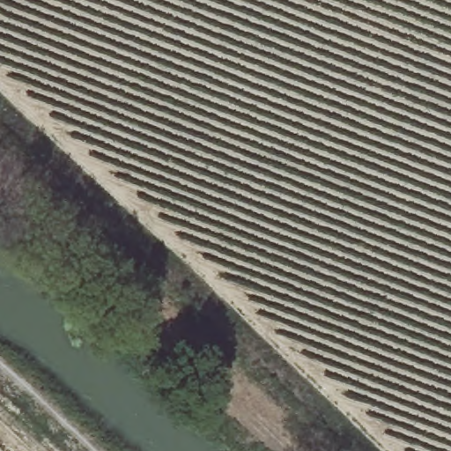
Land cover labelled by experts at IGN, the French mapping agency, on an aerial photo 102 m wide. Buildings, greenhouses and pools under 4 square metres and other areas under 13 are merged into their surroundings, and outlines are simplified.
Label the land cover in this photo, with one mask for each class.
<instances>
[{"label":"vineyard","instance_id":"1","mask_svg":"<svg viewBox=\"0 0 451 451\"><path fill-rule=\"evenodd\" d=\"M0 63L9 65L7 78L25 83L28 90L26 95L30 99L41 100L51 106V118L76 125L70 132V137L90 144V157L116 166V178L137 185L139 199L160 206L159 218L169 224L181 225L180 231L176 234L180 240L206 247L204 259L225 266L224 271L218 273V277L245 287L243 294L250 301L261 303L257 315L287 324V329H277V335L291 338L289 349L292 352L324 363V375L329 379L351 384L344 396L356 402L368 403L366 414L370 418L386 423V435L407 442L405 451H451V0H0ZM12 412L19 414V407H16L9 398L0 395V451H60L51 440L42 439L41 442H37L32 433L26 432L23 426L16 425L11 416Z\"/></svg>","mask_w":451,"mask_h":451},{"label":"deciduous trees","instance_id":"2","mask_svg":"<svg viewBox=\"0 0 451 451\"><path fill-rule=\"evenodd\" d=\"M0 266H5L12 277L21 280L30 291L46 299L56 312L62 315L70 344L74 347H88L90 356L99 363L118 361L123 372L127 373L152 400L153 409L159 412V416L167 419L173 428H181L201 437L208 446L217 451H273L270 447L264 446L261 440L247 442V435L250 432L238 419L227 414V405L231 402L233 389L231 372L236 368H241L248 381L254 382L257 388L264 391L280 409L284 410L285 430H289L291 439L298 442V446L303 447L305 451H379L366 439L365 433L354 428L351 421L329 402L326 396H322L305 377H301L261 335H257L255 329L241 319V315L234 308L229 307L224 299L218 298L210 285L194 273L187 262L181 261L173 250L164 245V241L146 231L136 215L120 206L115 197L102 189L90 174H86L81 166L70 159L69 153L62 152L44 134V130L26 120L23 113L0 93ZM162 299H169L171 305L178 310V326L185 329L187 335L192 336L190 344L181 340L174 349L171 345L160 344L162 322L166 321L162 315ZM0 358H4L5 363L12 366L25 381L30 382L33 388L39 389L49 402L55 403L56 407L62 410L63 416L78 426L81 433H86L93 444L102 451H134L125 446L120 437L106 432L102 419L93 418L86 414L85 410H81L78 402L63 391L58 382L53 381L48 373L41 372L25 354H19L9 345L0 342Z\"/></svg>","mask_w":451,"mask_h":451},{"label":"water","instance_id":"3","mask_svg":"<svg viewBox=\"0 0 451 451\"><path fill-rule=\"evenodd\" d=\"M0 342L9 345L19 354H25L41 372L48 373L53 381L58 382L63 391L78 402L81 410H85L86 414L93 418L102 419L106 432L120 437L125 446L134 451H217L208 446L201 437L181 428H173L167 419L159 416V412L153 409L152 400L127 373L123 372L118 361L99 363L90 356L88 347H74L70 344L62 315L56 312L46 299L30 291L21 280L12 277L5 266H0Z\"/></svg>","mask_w":451,"mask_h":451},{"label":"plowed land","instance_id":"4","mask_svg":"<svg viewBox=\"0 0 451 451\"><path fill-rule=\"evenodd\" d=\"M9 65L0 63V93L23 113L26 120L44 130V134L62 152L69 153L70 159L81 166L86 174H90L102 189L115 197L120 206L136 215L146 231L164 241V245L173 250L181 261L187 262L194 273L210 285L218 298L224 299L229 307L234 308L241 315V319L255 329L257 335H261L301 377H305L322 396H326L329 402L351 421L354 428L365 433L366 439L379 451H405L407 442L386 435V423L370 418L366 414L368 403L356 402L344 396L351 384L329 379L324 375V363L292 352L289 349L291 338L277 335V329H287V324L257 315L261 303L250 301L243 294L245 287L218 277V273L224 271L225 266L204 259L206 247L180 240L176 234L180 231L181 225L169 224L159 218L160 206L139 199L137 185L116 178V166L90 157V144L70 137V132L76 125L51 118V106L41 100L30 99L26 95L28 90L25 83L7 78Z\"/></svg>","mask_w":451,"mask_h":451},{"label":"herbaceous vegetation","instance_id":"5","mask_svg":"<svg viewBox=\"0 0 451 451\"><path fill-rule=\"evenodd\" d=\"M162 315L166 321L162 322L160 344L171 345L174 349L181 340L190 344L192 336L187 335L185 329L178 326V310L171 305L169 299H162ZM0 395L9 398L16 407H19V414L12 412L11 416L16 425L23 426L26 432L32 433L37 442H41L42 439L51 440L60 451H102L93 444L86 433H81L78 426L63 416L62 410L56 407L55 403L49 402L39 389L33 388L30 382L25 381L12 366L5 363L4 358H0ZM233 389L231 402L227 405V414L238 419L250 432L247 435V442L261 440L264 446L270 447L273 451H305L303 447L298 446V442L291 439L289 430H285L284 410L280 409L264 391L257 388L254 382L248 381L241 368H236L231 372Z\"/></svg>","mask_w":451,"mask_h":451}]
</instances>
